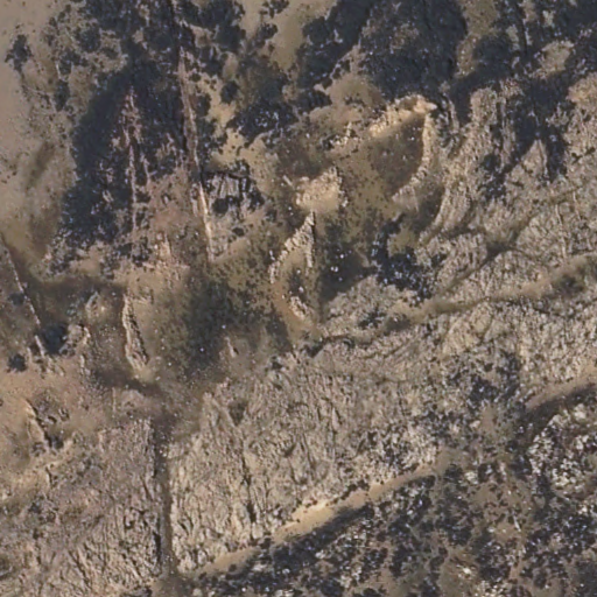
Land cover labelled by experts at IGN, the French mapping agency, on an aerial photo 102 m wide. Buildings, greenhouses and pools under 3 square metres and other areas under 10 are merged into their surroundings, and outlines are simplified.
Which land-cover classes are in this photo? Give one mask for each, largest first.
<instances>
[{"label":"bare soil","instance_id":"1","mask_svg":"<svg viewBox=\"0 0 597 597\"><path fill-rule=\"evenodd\" d=\"M240 2L245 9L240 28L245 33L240 35L238 49L226 56V63L219 75H208L205 63L196 58L191 51H180L177 77L182 82L187 145L175 147L173 135L168 133L166 145L156 149L154 159L135 156V149H128L126 182L131 187V205L117 210V238L112 243H84L82 247H77L68 245L70 231L61 226L63 191L77 184L72 140L77 128L82 126V119L89 112L91 98H96L107 86L110 77L117 70L126 68L128 56L126 51H121L117 54V58H107L105 54L86 51L77 42L75 30H86V16L79 14V9L86 7V2L77 0H0V597H597V75L581 79L569 89V98L574 100V117L569 131L564 133L567 173L553 182L548 177L546 166V147L543 142H534L527 156L515 166V170L506 175V196H499L487 208H480L478 184H487L494 177L487 170H483L478 161L492 154L501 163H506L513 152V128L501 131V140H494L490 133L492 124L497 121V103H508L511 96L520 93V86L511 79L501 82V91H473L471 119L469 124H459L452 100L434 105L424 100L420 93H410L394 98L389 103L382 96L380 86L368 84L366 75H359L364 51L354 44L345 54L350 61V70L345 75L333 79L331 86L315 84L317 93L331 98L329 105L315 107L310 112H305L303 107H292V114L296 119L294 124L259 133L254 142L247 147L243 135L236 128H231L229 119L240 110L252 107L259 89L266 82L278 79L280 75L287 77V84L282 89L285 100L301 96V75L310 63V40L303 35V28L315 19H326L338 0H233ZM499 0H459L462 14L466 19V35L457 49L455 72L462 79L476 72L473 49L478 47V42L483 37H497L494 19L499 16ZM548 56L539 61L541 79H548L553 72H560L564 68V61L569 58L574 44L564 40L543 47ZM124 135L112 138V147L117 149H126V145L142 140V121L135 93H126L124 110L119 117Z\"/></svg>","mask_w":597,"mask_h":597},{"label":"herbaceous vegetation","instance_id":"2","mask_svg":"<svg viewBox=\"0 0 597 597\"><path fill-rule=\"evenodd\" d=\"M86 2V7L79 9V14L86 16V30H75L77 42L86 51L105 54L107 58H117V54L121 51H126L128 56L126 68L117 70L110 77L107 86L96 98H91L89 112L82 119V126L77 128L72 140L77 184L63 191L61 226L70 231L68 245L77 247H82L84 243H112L117 238V210L131 205V187L126 182L128 149H135V156L154 159L156 149L166 145L168 133L173 135L175 147L187 145L182 82L177 77L180 51H191L196 58L205 63L208 75H219L226 63V56L238 49L240 35L245 33L240 28L245 9L240 2L233 0H77ZM126 93H135L142 121V140L126 145V149H117L112 147V138L124 135L119 117L124 110ZM499 16L494 19L497 37H483L478 42V47L473 49L476 72L462 79L455 72L457 49L466 35V19L462 14L459 0H338L326 19H315L303 28V35L310 40V63L301 75V96L285 100L282 89L287 84V77L280 75L278 79L266 82L259 89L252 107L240 110L229 119L231 128H236L243 135L247 147L254 142L259 133L294 124L296 119L292 114V107H303L305 112H310L315 107L329 105L331 98L317 93L315 84L331 86L333 79L345 75L350 70V61L345 54L354 44L364 51L359 75H366L368 84L380 86L382 96L389 103L394 98L410 93H420L424 100L434 105L452 100L459 124H469L471 119L473 91H501V82L511 79L520 86V93L511 96L508 103H497V121L492 124L490 133L494 140H501V131L513 128V152L506 163H501L492 154L478 161L483 170H487L494 177L487 184H478L480 208H487L499 196H506V175L515 170V166L527 156L534 142H543L546 147V166L548 177L553 182L567 173L564 133L569 131L574 117V100L569 98V89L581 79L597 75V0H499ZM564 40L574 44L569 58L564 61V68L560 72H553L548 79H541L539 61L548 56L543 47Z\"/></svg>","mask_w":597,"mask_h":597}]
</instances>
